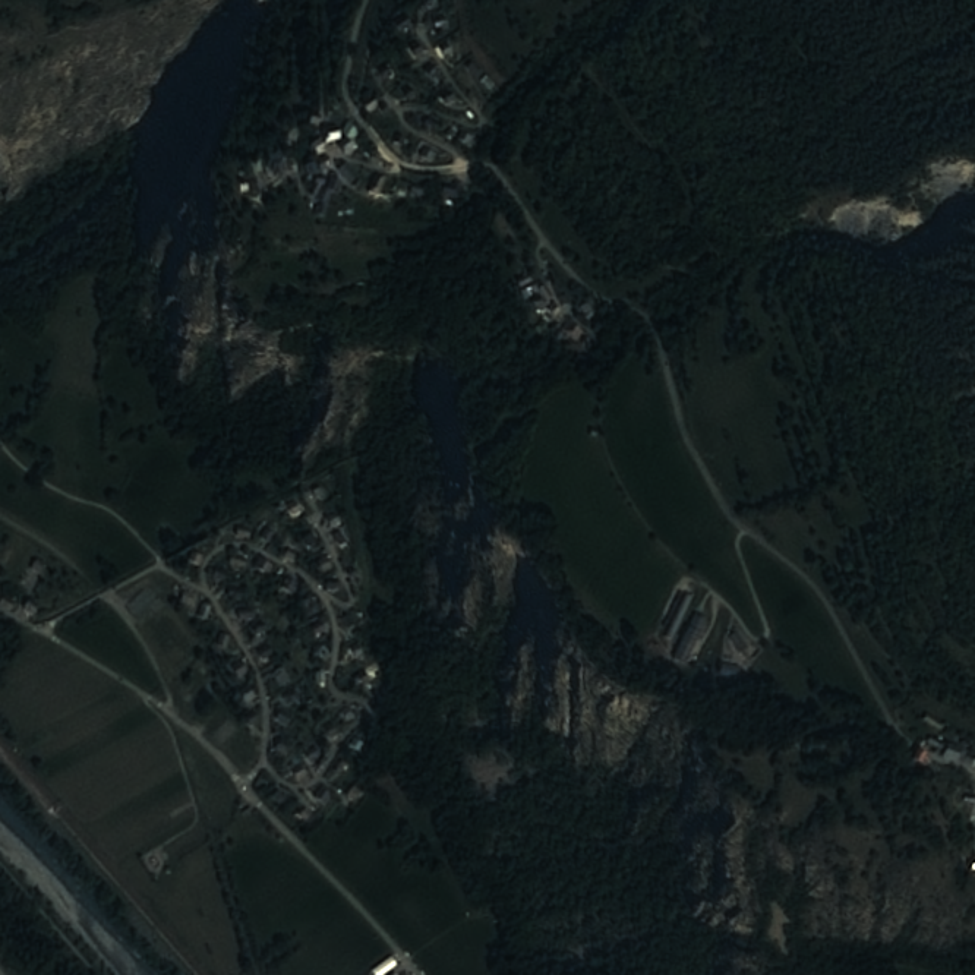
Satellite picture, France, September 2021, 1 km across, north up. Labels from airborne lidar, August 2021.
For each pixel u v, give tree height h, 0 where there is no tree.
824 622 0
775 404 0
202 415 14
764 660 0
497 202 15
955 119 12
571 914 8
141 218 16
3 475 0
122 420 0
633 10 12
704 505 0
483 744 9
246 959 7
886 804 8
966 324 7
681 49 10
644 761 6
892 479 8
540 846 9
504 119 18
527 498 0
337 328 13
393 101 0
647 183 15
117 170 11
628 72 15
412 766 16
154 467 0
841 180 11
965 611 7
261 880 0
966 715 10
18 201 14
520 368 22
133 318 9
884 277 13
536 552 9
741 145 16
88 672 0
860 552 10
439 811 11
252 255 6
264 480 0
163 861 0
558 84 14
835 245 17
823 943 7
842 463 16
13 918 10
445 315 21
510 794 10
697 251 13
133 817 0
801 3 13
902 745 20
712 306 13
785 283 13
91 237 22
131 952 0
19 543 0
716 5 14
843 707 17
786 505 9
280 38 19
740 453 0
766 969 6
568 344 9
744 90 9
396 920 0
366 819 0
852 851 0
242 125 19
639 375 0
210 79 23
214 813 0
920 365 14
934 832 8
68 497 0
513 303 9
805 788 8
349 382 7
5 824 0
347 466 0
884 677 9
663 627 0
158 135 20
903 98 13
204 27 12
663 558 0
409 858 7
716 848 8
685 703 13
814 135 11
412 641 18
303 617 6
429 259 25
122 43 0
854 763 6
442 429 7
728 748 7
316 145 0
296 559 9
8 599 5
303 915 0
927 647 9
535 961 18
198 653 10
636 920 6
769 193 10
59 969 12
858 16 18
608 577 0
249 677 8
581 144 9
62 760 0
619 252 10
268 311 12
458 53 0
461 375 11
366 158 6
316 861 0
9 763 0
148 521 0
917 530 8
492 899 21
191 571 5
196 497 0
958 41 23
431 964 0
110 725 0
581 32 22
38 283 18
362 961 0
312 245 0
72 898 0
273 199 13
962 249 11
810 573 0
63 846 11
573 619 12
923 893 0
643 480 0
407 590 16
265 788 7
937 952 7
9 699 0
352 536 0
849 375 11
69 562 0
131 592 0
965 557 6
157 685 0
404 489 8
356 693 12
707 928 7
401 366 7
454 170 0
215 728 0
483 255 14
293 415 16
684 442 0
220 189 10
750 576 0
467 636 10
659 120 9
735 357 11
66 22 8
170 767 0
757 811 7
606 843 7
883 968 15
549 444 0
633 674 11
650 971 6
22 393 8
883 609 10
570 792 7
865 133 15
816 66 15
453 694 9
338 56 11
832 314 8
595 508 0
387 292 9
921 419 11
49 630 0
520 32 11
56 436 0
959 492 9
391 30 8
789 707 11
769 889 8
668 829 7
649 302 12
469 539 6
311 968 0
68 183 12
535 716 8
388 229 0
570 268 0
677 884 10
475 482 9
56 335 0
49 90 0
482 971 0
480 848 17
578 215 10
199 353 9
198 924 0
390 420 17
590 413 0
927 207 10
